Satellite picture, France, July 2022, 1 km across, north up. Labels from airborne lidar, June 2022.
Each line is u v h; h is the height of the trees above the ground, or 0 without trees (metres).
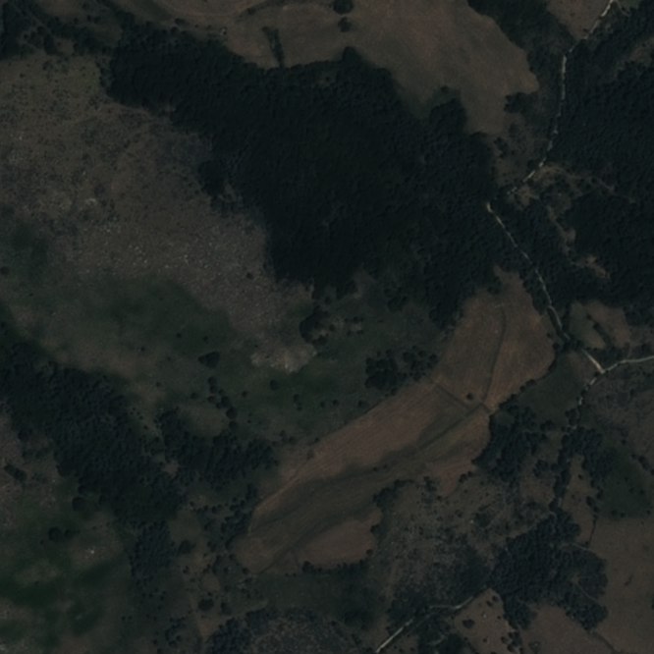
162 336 0
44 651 0
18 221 0
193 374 0
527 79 0
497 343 0
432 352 0
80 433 9
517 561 20
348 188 14
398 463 0
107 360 0
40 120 0
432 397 0
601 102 21
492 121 0
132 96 11
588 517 0
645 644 0
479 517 9
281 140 12
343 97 16
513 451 18
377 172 18
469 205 13
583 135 16
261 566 0
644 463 15
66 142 0
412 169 14
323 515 0
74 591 0
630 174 15
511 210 12
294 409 0
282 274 13
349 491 0
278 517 0
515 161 0
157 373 0
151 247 0
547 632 0
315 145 19
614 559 0
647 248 17
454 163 16
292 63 0
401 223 14
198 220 0
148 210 0
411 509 0
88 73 0
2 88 0
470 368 0
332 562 0
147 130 0
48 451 11
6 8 15
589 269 14
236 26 0
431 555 0
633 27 15
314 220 11
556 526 11
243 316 0
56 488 0
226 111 14
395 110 17
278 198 13
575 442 16
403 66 0
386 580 0
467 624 14
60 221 0
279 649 0
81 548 0
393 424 0
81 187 0
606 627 0
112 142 0
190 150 0
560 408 0
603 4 0
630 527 0
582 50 15
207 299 0
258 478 0
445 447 0
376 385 12
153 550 17
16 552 0
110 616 0
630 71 18
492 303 0
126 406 9
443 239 13
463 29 0
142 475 9
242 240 0
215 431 0
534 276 8
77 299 0
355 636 10
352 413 0
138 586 9
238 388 0
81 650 0
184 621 7
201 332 0
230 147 16
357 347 0
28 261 0
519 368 0
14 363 12
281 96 24
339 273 13
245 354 0
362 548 0
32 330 0
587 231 12
